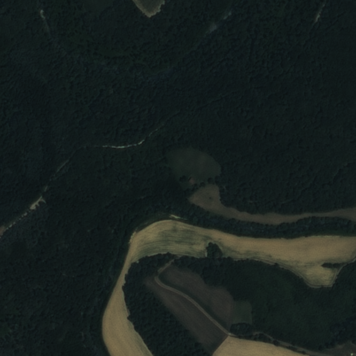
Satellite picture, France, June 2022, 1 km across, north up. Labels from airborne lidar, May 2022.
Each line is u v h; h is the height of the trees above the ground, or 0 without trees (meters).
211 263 22
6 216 15
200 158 0
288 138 26
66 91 29
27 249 24
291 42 23
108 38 24
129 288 18
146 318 18
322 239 0
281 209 17
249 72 15
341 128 17
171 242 0
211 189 0
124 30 17
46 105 20
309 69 16
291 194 15
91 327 19
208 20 22
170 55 19
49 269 26
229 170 21
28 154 21
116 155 16
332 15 20
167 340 10
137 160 17
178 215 8
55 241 20
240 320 0
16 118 29
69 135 12
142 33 24
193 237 0
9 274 28
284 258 0
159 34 33
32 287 27
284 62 24
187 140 24
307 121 23
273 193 20
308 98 23
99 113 27
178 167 0
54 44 30
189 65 23
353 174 23
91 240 24
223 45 24
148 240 0
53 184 11
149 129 18
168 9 17
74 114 23
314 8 6
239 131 16
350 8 21
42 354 21
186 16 29
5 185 21
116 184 28
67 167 7
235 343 0
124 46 27
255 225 12
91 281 18
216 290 0
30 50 29
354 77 19
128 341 0
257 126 25
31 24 32
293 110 20
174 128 20
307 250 0
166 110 23
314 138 25
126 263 0
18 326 20
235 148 27
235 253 0
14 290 26
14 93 23
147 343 14
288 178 19
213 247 11
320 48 18
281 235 11
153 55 20
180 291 0
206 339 0
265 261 0
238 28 28
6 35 23
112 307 0
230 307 0
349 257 0
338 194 26
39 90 20
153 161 25
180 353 7
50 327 18
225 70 27
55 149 18
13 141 22
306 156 29
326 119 26
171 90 26
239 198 21
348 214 0
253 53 20
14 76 23
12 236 20
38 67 23
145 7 0
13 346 26
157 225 0
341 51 16
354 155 23
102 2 0
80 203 26
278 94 19
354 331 21
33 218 19
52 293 23
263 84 21
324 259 0
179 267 11
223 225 12
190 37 23
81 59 19
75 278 25
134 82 27
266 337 16
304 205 17
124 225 15
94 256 24
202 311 0
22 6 27
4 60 21
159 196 19
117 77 30
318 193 23
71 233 24
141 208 16
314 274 0
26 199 22
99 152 21
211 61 26
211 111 20
